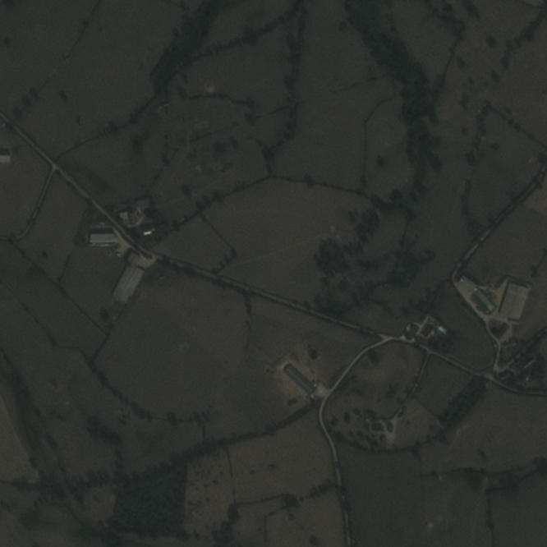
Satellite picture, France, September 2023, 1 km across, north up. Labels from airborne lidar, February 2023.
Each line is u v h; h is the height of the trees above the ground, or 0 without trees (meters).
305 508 0
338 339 0
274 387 0
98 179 0
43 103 0
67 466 0
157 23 0
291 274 0
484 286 0
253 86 0
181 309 0
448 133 0
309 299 0
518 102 0
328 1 0
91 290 0
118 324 0
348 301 0
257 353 0
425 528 0
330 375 0
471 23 0
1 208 0
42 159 0
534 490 0
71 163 0
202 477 0
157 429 0
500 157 0
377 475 0
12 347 0
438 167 19
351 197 0
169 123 0
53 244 0
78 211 0
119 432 0
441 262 0
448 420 9
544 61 0
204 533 0
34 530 0
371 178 0
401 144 0
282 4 0
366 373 0
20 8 0
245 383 0
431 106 10
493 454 0
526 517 0
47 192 0
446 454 0
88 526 0
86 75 0
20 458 0
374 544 0
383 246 0
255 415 0
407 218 10
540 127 0
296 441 0
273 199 0
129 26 0
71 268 0
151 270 0
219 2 0
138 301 0
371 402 0
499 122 0
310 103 0
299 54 9
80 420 0
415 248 0
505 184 0
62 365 0
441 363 0
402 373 0
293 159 0
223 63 0
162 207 0
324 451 0
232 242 0
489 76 0
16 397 0
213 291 0
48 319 0
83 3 0
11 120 0
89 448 0
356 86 0
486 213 0
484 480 0
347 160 0
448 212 0
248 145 0
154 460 0
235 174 0
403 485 0
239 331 0
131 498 7
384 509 0
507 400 0
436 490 0
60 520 0
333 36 0
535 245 0
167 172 0
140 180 0
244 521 0
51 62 0
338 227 0
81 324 0
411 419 0
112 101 0
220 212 0
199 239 0
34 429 0
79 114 0
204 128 0
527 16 0
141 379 0
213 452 10
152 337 0
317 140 0
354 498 0
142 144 0
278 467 0
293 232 0
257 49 0
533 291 0
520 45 12
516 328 0
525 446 0
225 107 0
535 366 9
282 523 0
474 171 0
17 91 0
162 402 0
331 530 0
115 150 0
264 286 0
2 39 0
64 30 0
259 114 0
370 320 0
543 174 7
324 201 0
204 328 0
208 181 0
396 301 0
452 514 0
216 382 0
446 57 0
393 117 0
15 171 0
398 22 0
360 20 0
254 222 0
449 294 0
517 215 0
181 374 0
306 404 8
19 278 0
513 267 0
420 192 19
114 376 0
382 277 0
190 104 0
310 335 0
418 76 0
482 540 0
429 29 0
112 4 0
